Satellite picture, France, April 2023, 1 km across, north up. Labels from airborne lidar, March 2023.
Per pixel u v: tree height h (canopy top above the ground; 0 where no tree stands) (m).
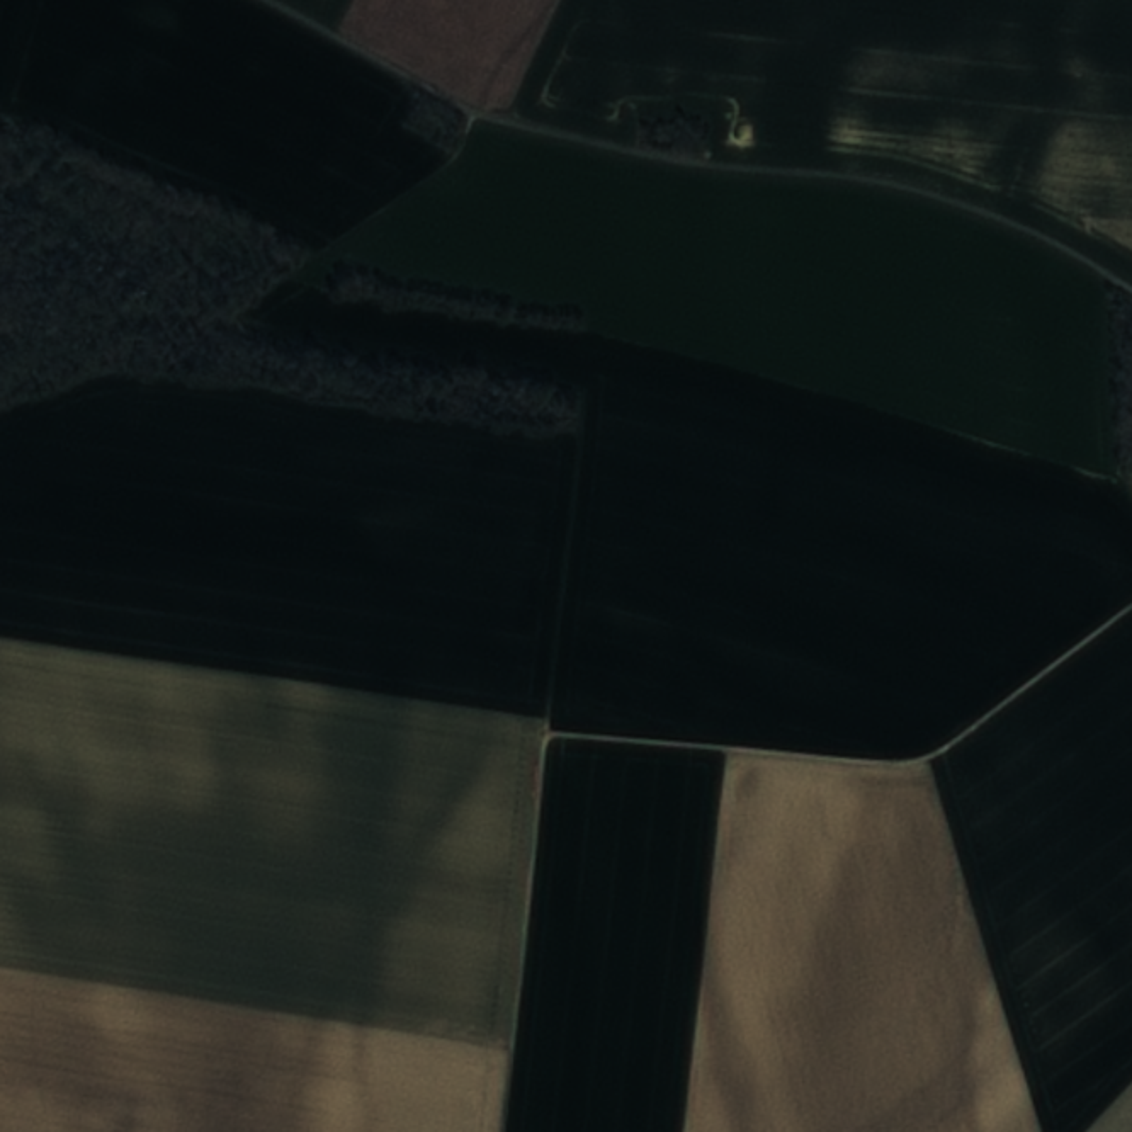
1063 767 0
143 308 21
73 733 0
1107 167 0
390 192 0
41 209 26
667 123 9
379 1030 0
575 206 0
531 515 0
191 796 0
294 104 0
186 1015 0
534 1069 0
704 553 0
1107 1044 0
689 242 0
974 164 0
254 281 23
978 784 0
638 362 0
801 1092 0
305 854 0
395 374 14
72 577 0
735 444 0
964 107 0
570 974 0
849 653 0
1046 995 0
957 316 0
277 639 0
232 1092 0
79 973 0
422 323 0
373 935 0
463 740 0
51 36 0
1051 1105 0
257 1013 0
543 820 0
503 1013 0
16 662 0
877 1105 0
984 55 0
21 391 18
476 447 0
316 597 0
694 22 0
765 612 0
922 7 0
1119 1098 0
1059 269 0
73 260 27
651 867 0
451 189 0
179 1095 0
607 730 0
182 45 0
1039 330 0
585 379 0
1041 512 0
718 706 0
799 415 0
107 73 0
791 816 0
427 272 0
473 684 0
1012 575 0
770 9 0
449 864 0
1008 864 0
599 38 0
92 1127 0
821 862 0
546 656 0
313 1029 0
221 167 0
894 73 0
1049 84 0
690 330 0
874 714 0
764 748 0
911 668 0
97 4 0
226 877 0
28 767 0
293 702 0
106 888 0
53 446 0
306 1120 0
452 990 0
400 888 0
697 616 0
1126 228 0
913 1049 0
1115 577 0
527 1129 0
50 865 0
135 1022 0
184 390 0
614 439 0
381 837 0
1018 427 0
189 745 0
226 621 0
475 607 0
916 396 0
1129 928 0
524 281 0
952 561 0
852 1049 0
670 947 0
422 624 0
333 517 0
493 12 0
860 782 0
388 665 0
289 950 0
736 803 0
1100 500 0
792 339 0
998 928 0
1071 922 0
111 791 0
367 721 0
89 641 0
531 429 14
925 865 0
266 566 0
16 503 0
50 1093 0
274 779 0
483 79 0
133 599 0
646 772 0
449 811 0
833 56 0
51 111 0
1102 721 0
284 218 0
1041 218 0
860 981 0
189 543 0
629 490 0
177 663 0
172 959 0
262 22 0
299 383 15
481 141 0
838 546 0
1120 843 0
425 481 0
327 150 0
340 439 0
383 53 0
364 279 17
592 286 0
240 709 0
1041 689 0
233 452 0
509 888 0
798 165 0
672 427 0
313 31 0
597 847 0
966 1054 0
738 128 0
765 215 0
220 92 0
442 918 0
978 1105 0
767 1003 0
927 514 0
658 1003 0
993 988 0
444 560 0
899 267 0
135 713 0
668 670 0
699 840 0
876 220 0
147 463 0
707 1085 0
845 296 0
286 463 0
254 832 0
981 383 0
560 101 0
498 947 0
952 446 0
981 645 0
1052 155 0
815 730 0
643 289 0
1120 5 0
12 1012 0
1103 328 0
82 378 15
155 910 0
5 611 0
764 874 0
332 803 0
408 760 0
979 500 0
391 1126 0
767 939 0
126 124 0
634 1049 0
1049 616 0
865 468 0
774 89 0
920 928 0
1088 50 0
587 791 0
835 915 0
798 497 0
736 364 0
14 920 0
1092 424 0
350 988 0
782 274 0
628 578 0
